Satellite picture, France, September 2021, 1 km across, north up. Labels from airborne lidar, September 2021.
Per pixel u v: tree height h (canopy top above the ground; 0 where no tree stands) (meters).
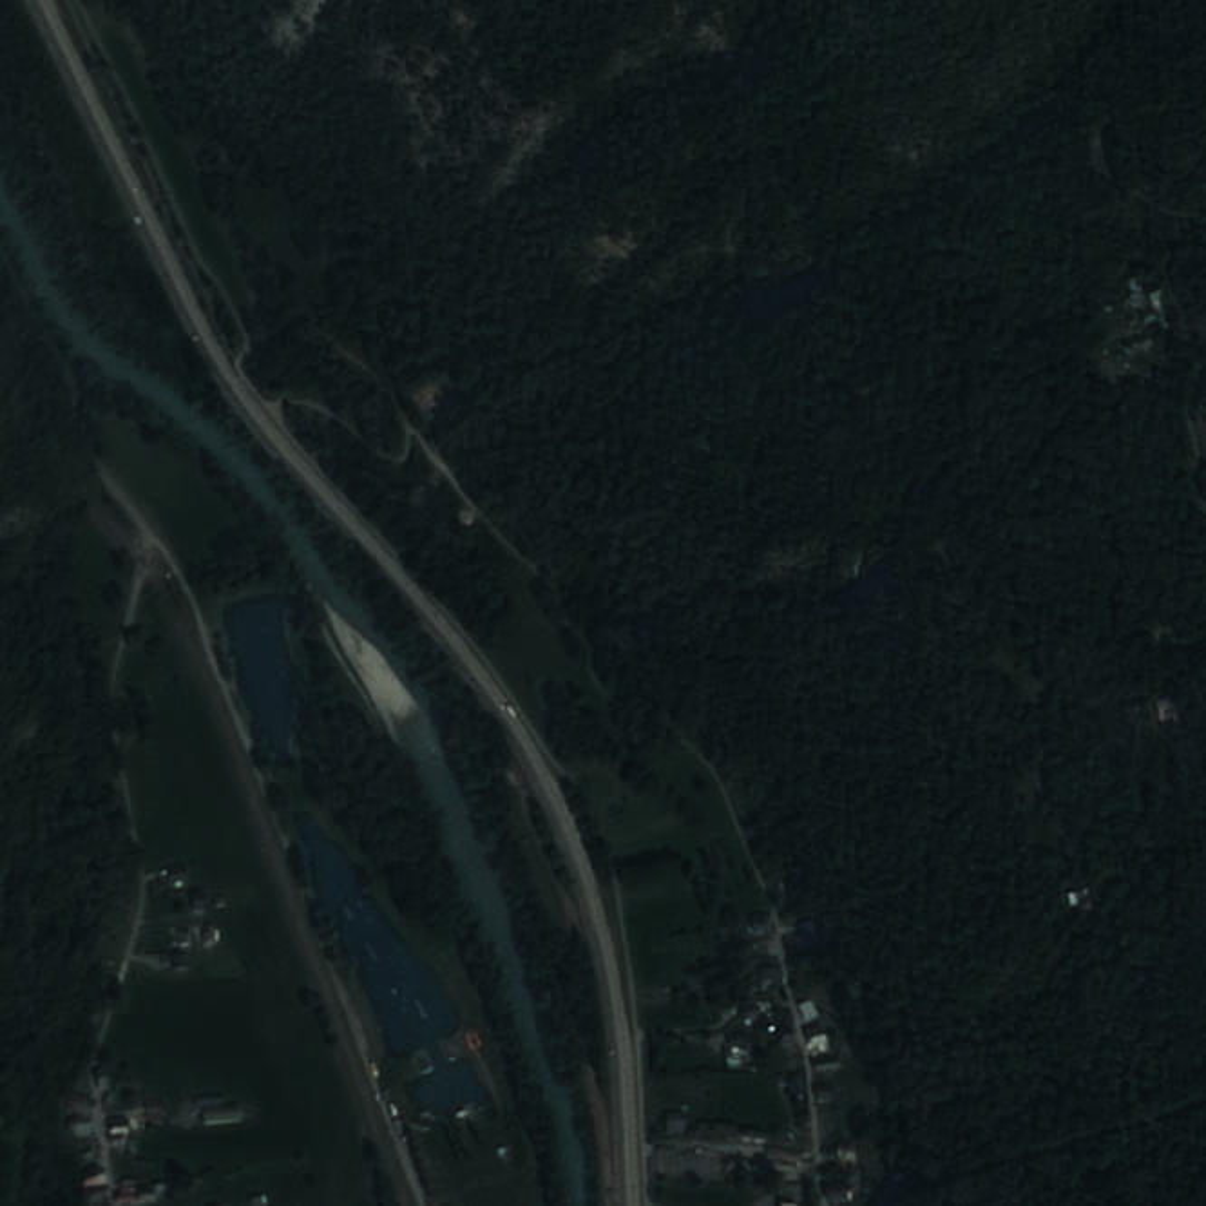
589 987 22
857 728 22
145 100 0
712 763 23
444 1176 0
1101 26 28
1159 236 17
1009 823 15
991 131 29
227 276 0
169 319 7
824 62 15
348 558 18
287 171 25
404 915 23
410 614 8
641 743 21
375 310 10
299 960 0
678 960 0
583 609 14
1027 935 17
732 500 22
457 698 21
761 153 27
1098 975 17
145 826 0
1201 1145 26
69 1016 22
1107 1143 17
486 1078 0
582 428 33
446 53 12
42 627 30
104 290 16
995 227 22
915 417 23
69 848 21
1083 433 24
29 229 10
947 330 22
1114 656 24
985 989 12
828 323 24
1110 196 16
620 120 28
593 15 23
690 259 16
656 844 0
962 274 29
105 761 26
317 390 18
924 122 11
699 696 27
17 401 12
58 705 25
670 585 26
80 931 14
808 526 13
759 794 10
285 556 28
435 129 7
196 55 14
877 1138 20
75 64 0
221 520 0
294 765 13
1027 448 17
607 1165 0
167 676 0
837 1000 8
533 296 21
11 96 16
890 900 18
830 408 22
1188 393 17
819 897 28
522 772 0
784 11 29
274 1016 0
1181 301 18
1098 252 18
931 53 17
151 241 0
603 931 0
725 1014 0
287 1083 0
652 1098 0
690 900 0
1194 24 22
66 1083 14
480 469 27
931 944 23
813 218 16
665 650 29
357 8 14
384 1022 0
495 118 6
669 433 31
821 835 9
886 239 22
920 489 27
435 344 26
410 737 0
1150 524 28
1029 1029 32
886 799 15
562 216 17
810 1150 0
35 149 17
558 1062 27
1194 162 19
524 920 21
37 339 26
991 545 24
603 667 21
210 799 0
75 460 16
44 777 19
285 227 0
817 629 25
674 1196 0
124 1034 0
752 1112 0
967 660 23
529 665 0
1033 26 13
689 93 41
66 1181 6
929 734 8
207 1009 0
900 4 12
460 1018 0
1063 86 28
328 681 23
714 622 25
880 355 27
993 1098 30
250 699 0
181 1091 0
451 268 23
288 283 17
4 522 9
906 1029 29
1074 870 21
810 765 24
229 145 26
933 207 37
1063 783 24
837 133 26
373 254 20
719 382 18
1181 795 19
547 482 29
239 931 0
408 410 16
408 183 20
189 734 0
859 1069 0
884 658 9
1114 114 24
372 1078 0
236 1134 0
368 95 22
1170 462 26
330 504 0
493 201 21
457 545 28
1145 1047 25
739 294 18
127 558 9
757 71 30
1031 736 25
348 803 26
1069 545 25
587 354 32
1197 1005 26
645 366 31
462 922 29
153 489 0
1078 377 25
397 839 28
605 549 6
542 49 24
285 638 0
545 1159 18
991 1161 11
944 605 21
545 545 21
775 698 27
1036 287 18
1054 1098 19
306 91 17
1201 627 33
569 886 16
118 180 0
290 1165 0
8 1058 28
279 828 0
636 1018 0
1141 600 20
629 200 16
